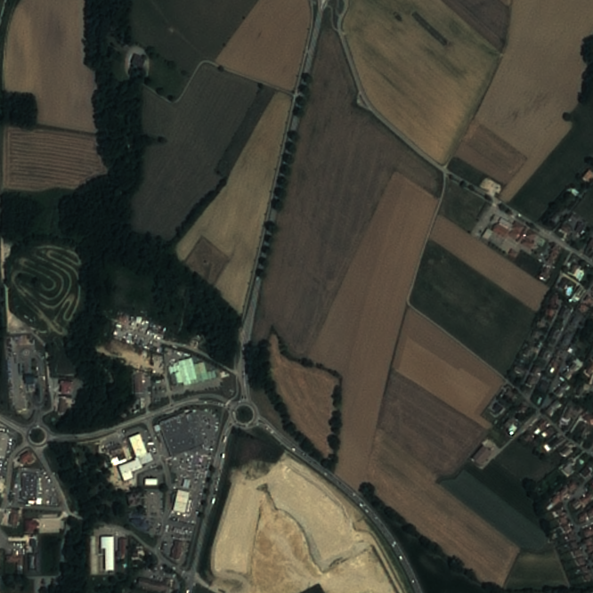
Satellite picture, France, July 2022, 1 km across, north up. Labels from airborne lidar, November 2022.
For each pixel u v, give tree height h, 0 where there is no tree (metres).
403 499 0
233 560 0
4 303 7
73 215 9
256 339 0
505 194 0
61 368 0
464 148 0
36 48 0
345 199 0
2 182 0
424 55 0
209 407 0
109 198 12
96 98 13
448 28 0
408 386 0
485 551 0
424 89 0
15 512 0
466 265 0
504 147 0
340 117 0
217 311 16
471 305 0
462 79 0
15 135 0
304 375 0
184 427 0
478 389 0
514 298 0
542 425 0
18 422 0
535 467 0
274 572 0
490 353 0
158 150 0
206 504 13
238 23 0
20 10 0
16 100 21
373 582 0
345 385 0
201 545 0
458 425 0
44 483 0
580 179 7
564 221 9
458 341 0
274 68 0
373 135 0
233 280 0
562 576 0
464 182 9
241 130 0
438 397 0
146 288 0
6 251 0
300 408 0
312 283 0
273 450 0
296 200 0
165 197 0
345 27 0
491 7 0
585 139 0
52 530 0
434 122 0
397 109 0
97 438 0
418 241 0
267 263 19
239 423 0
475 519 0
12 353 0
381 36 0
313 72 0
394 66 0
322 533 0
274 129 0
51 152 0
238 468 0
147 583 0
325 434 0
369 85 0
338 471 0
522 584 0
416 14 0
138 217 0
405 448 0
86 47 13
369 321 0
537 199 0
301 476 0
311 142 0
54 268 0
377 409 0
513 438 0
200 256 0
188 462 0
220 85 0
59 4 0
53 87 0
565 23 0
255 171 0
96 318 18
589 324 13
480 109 0
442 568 0
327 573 0
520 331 0
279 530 0
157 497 0
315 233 0
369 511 0
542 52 0
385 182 0
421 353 0
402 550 0
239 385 0
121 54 12
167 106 0
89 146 0
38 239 12
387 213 0
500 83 0
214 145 0
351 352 0
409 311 0
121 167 24
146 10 0
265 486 0
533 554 0
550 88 0
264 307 0
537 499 12
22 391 0
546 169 0
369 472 0
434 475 0
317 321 0
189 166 0
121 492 15
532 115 0
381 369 0
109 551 0
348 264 0
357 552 0
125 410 11
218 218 0
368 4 0
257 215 0
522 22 0
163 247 10
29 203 10
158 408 0
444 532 0
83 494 21
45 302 0
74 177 0
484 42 0
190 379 0
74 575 19
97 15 14
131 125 17
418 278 0
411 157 0
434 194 0
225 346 24
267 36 0
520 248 0
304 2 0
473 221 0
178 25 0
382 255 0
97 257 7
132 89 18
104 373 7
